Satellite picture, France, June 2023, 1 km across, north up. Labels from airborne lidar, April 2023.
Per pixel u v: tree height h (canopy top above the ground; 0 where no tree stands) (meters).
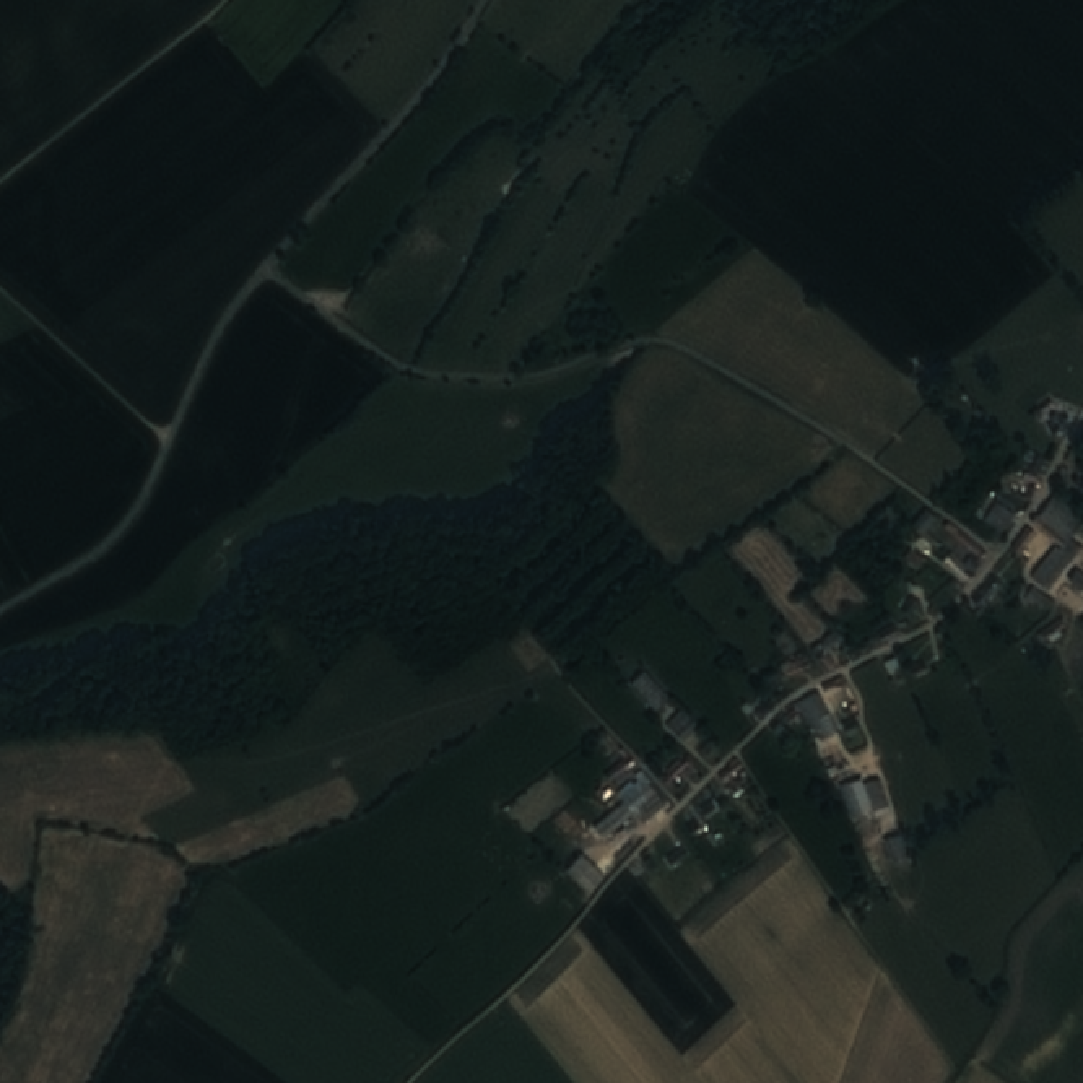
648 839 0
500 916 0
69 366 0
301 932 0
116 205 0
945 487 8
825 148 0
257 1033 0
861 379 0
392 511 19
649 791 0
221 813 0
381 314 0
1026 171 0
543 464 20
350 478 0
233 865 6
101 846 0
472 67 0
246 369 0
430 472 0
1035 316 0
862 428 0
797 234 0
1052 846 0
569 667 9
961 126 0
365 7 0
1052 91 0
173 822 0
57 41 0
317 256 0
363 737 0
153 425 0
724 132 0
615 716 0
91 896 0
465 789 0
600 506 18
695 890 0
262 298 0
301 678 0
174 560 0
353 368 0
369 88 0
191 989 0
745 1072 0
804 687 0
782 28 18
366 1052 0
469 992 0
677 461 0
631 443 0
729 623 0
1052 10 0
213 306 0
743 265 0
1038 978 0
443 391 0
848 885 0
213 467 0
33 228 0
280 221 0
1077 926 0
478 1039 0
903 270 0
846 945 0
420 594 24
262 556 24
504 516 30
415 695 0
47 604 0
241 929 0
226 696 22
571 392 0
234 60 0
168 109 0
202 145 0
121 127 0
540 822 0
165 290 0
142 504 0
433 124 0
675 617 0
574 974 0
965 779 0
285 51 0
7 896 19
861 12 16
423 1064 0
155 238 0
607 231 0
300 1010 0
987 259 0
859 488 0
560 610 15
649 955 0
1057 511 0
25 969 17
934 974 0
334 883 0
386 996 0
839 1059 0
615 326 16
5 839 0
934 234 0
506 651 0
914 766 0
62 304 0
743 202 0
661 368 0
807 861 0
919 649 0
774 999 0
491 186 0
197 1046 0
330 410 0
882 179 0
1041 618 0
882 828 0
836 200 0
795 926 0
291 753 0
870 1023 0
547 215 0
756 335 0
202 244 0
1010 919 0
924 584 0
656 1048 0
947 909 0
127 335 0
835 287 0
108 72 0
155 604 0
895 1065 0
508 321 0
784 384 0
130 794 0
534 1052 0
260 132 0
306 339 0
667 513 0
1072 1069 0
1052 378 0
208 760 0
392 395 0
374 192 0
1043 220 0
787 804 0
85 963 0
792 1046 0
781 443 0
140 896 0
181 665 23
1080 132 0
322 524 22
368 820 0
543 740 0
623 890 0
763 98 0
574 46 0
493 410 0
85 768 0
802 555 7
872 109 0
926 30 0
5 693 31
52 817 0
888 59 0
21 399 0
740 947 0
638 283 0
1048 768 0
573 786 0
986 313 0
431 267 0
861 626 0
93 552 0
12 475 0
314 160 0
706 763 0
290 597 24
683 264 0
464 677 0
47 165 0
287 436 0
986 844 0
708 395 0
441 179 13
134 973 0
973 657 0
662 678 0
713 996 0
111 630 0
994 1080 0
